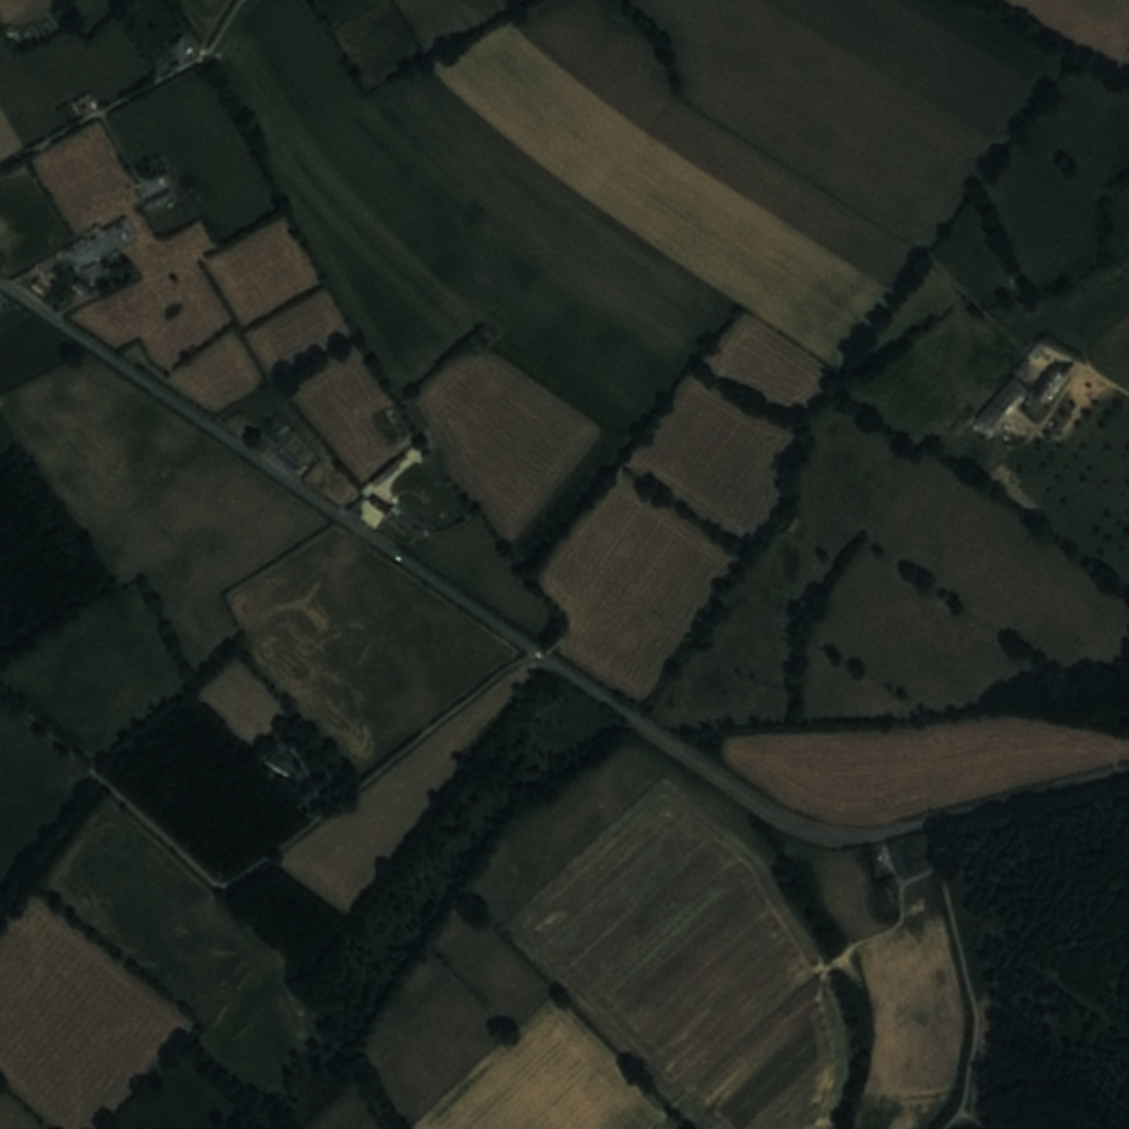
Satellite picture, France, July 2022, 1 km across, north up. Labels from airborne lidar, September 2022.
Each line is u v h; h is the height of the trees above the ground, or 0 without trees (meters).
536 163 0
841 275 0
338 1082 24
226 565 0
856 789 0
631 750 0
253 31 0
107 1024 0
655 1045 0
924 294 0
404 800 0
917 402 0
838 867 0
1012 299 20
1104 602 0
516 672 0
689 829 0
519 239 0
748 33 0
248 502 0
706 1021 0
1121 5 0
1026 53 0
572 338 0
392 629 0
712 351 15
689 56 0
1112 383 0
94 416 0
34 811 0
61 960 0
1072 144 0
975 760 0
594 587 0
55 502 7
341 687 0
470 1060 0
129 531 0
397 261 0
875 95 0
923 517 0
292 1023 0
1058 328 0
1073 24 0
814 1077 0
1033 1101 16
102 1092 0
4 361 0
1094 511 0
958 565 0
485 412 0
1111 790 14
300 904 15
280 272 0
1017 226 0
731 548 17
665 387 0
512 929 0
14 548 11
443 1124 0
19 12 0
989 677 0
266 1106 20
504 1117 0
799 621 21
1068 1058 19
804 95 0
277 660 0
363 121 0
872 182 0
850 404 15
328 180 0
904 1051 0
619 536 0
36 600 11
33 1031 0
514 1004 0
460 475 0
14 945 0
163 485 0
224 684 0
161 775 13
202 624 0
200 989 0
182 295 0
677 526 0
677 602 0
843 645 0
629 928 0
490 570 0
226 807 15
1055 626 0
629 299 0
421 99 0
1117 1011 7
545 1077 0
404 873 11
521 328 0
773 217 0
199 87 0
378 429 0
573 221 0
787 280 0
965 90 0
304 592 0
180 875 0
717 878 0
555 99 0
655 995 0
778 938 0
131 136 0
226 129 0
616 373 0
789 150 0
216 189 0
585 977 0
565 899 0
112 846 0
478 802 11
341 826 0
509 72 0
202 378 0
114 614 0
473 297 0
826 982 0
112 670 0
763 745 0
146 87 10
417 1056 0
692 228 0
